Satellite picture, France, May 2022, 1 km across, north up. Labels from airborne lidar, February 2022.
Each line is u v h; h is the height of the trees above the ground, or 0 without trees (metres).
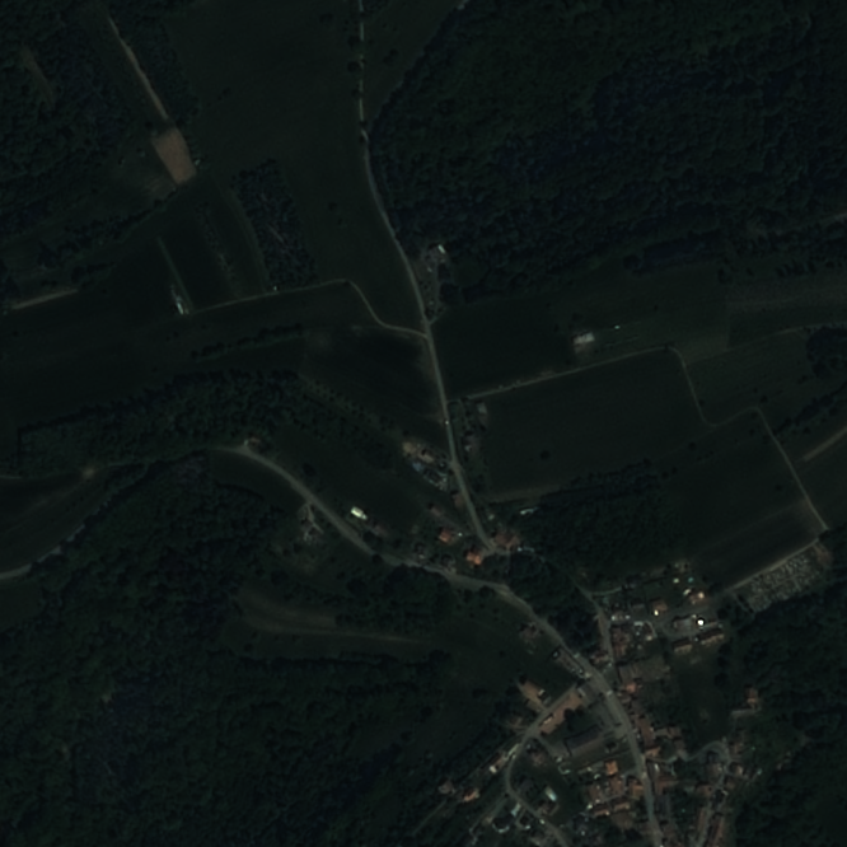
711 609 0
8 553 0
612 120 33
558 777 0
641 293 0
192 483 30
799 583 0
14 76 31
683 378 0
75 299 0
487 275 19
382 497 0
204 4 0
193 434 26
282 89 0
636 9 30
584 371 0
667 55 32
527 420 0
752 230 0
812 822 6
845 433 0
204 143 0
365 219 0
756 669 22
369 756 0
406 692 27
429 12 0
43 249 0
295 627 0
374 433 0
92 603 34
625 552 20
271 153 0
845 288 0
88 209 0
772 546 0
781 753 0
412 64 0
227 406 21
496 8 23
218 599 39
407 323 0
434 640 0
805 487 0
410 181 18
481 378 0
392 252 0
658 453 0
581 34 19
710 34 22
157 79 12
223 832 20
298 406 10
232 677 24
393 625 7
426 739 0
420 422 0
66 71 22
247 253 0
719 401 0
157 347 0
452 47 22
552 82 22
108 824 13
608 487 8
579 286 0
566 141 21
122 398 0
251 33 0
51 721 31
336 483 0
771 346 0
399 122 23
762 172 23
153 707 37
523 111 21
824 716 21
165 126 0
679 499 0
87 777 27
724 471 0
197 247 0
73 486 0
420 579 20
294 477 0
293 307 0
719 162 29
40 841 16
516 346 0
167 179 0
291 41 0
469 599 13
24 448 13
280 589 16
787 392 0
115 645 34
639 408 0
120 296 0
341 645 0
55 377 0
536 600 23
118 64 0
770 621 24
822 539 10
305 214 0
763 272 0
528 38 23
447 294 18
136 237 0
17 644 20
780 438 7
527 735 0
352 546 0
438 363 0
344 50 0
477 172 26
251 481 0
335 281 0
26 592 0
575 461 0
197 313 0
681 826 7
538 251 15
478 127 30
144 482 20
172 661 32
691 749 10
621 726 0
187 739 28
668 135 39
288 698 31
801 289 0
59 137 33
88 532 16
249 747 28
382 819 0
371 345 0
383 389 0
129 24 14
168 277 0
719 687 13
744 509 0
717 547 0
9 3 28
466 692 0
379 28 0
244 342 8
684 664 0
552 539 20
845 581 29
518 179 33
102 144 12
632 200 24
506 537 0
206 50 0
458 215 29
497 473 0
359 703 26
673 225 26
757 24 33
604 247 18
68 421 13
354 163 0
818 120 19
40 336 0
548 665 0
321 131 0
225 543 35
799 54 19
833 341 19
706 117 37
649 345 0
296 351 0
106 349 0
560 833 0
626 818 0
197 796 28
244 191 11
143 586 38
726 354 0
